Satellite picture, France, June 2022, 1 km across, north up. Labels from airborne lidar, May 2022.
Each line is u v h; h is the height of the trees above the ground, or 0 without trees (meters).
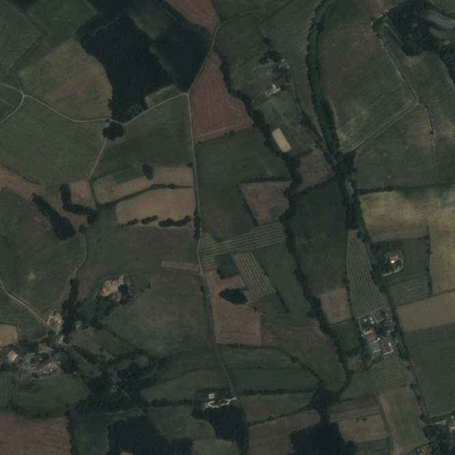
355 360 0
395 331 13
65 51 0
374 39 0
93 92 0
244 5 0
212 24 0
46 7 0
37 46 0
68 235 16
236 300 19
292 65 0
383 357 14
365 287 0
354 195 9
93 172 0
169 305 0
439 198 0
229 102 0
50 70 0
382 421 0
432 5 14
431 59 0
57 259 0
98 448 0
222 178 0
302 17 0
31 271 0
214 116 0
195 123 0
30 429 0
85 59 0
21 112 0
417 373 0
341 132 0
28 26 0
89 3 0
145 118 0
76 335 0
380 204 0
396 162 0
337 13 0
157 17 0
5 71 0
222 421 20
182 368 0
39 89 0
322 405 17
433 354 0
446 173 0
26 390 0
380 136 0
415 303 0
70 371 13
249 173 0
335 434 13
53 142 0
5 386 0
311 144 0
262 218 0
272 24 0
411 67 0
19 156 0
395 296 0
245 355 0
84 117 0
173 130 0
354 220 14
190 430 0
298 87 0
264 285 0
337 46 0
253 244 0
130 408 6
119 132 11
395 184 0
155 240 0
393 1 0
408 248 0
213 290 0
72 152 0
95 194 0
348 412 0
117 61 17
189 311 0
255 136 0
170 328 0
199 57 0
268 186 0
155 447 16
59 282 0
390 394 0
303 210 0
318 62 10
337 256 0
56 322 0
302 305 0
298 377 0
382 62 0
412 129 0
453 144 0
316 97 19
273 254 0
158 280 0
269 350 0
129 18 16
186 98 0
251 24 0
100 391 15
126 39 19
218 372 0
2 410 0
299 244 0
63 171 0
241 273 0
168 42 0
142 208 0
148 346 0
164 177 0
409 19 15
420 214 0
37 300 0
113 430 8
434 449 13
